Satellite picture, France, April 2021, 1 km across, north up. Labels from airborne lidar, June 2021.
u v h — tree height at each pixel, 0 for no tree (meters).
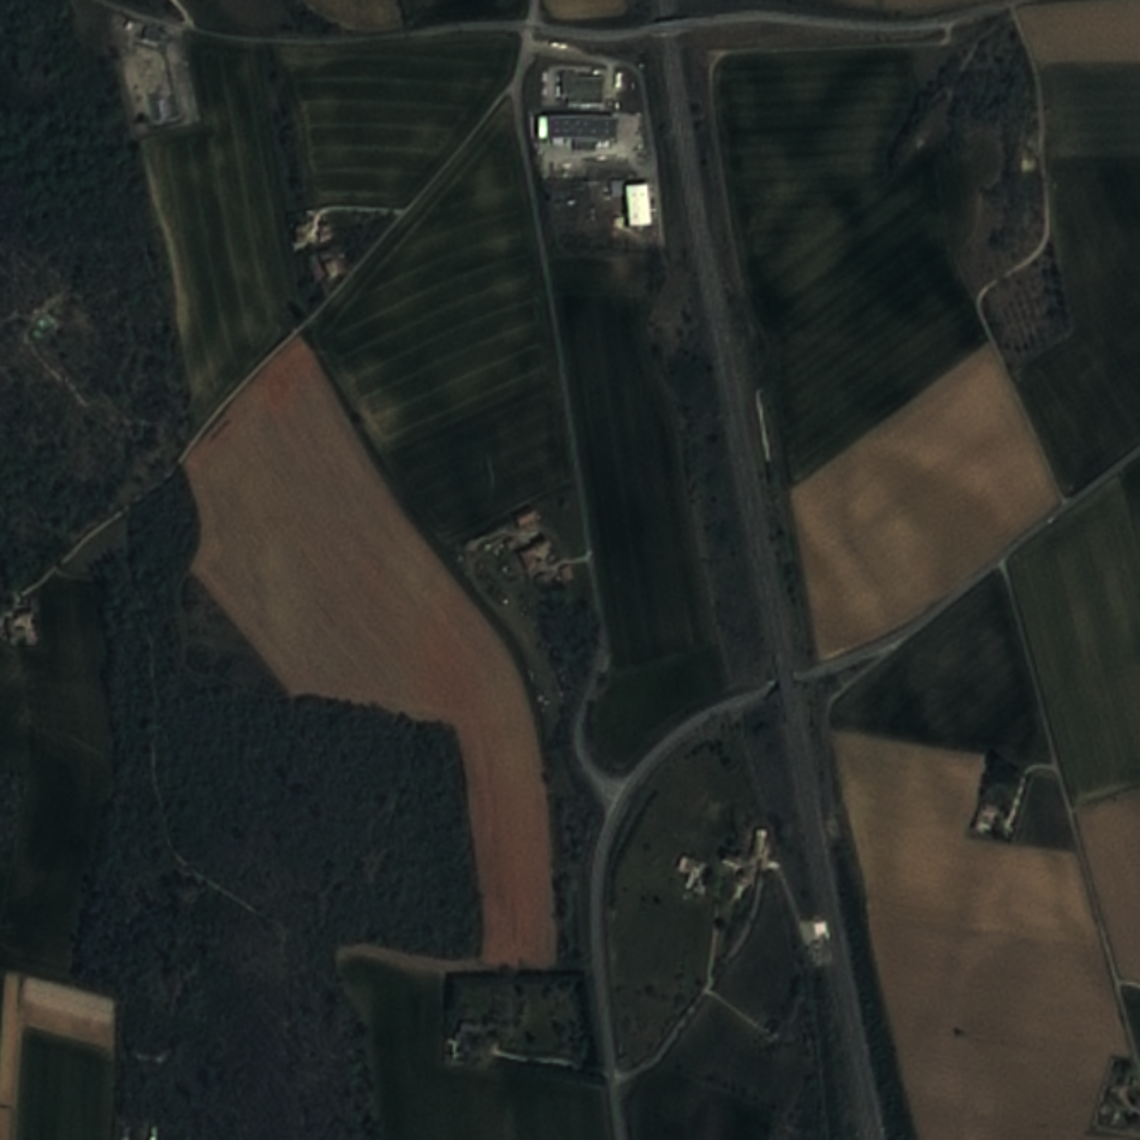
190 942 14
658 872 0
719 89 0
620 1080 0
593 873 0
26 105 0
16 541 13
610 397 0
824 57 0
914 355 0
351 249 13
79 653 0
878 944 0
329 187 0
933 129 0
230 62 0
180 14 11
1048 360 0
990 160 0
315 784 11
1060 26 0
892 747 0
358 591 0
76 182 14
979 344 0
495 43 0
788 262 0
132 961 20
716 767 0
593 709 9
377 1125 17
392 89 0
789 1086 0
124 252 13
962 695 0
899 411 0
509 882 0
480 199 0
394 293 0
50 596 0
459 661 0
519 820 0
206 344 0
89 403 13
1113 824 0
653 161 0
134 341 9
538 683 0
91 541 0
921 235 0
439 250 0
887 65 0
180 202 0
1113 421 0
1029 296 7
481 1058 27
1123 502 0
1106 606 0
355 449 0
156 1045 9
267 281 0
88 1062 0
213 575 0
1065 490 0
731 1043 0
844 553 0
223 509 0
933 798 0
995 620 0
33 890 0
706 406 0
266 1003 9
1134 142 0
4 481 14
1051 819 0
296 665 0
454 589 0
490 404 0
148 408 13
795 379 0
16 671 0
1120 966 0
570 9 0
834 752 0
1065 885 0
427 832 10
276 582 0
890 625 0
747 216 0
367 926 7
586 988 11
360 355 0
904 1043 0
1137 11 0
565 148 0
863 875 0
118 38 0
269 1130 12
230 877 10
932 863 0
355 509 0
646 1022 6
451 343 0
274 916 10
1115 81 0
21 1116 0
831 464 0
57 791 0
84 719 0
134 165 11
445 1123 0
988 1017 0
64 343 13
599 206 0
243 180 0
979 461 0
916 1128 0
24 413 14
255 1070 11
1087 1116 0
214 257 0
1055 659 0
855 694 0
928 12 0
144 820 10
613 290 0
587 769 0
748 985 0
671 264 6
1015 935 0
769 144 0
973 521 0
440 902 6
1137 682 0
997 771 12
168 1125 8
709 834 0
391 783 8
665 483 0
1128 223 0
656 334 0
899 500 0
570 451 0
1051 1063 0
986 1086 0
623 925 0
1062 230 0
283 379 0
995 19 7
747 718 0
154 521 10
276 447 0
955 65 9
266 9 0
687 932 0
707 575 0
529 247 0
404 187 0
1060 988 0
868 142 0
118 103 12
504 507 0
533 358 0
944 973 0
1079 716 0
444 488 0
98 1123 0
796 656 0
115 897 17
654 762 0
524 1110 0
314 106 0
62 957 0
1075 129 0
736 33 0
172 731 10
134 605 11
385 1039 0
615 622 0
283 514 0
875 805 0
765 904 0
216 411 0
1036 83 12
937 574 0
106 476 13
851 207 0
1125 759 0
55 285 12
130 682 12
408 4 8
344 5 0
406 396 0
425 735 7
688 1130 0
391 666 0
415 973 0
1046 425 0
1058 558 0
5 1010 0
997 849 0
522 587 0
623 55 0
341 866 8
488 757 0
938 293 0
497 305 0
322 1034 7
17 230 16
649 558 0
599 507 0
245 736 8
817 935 0
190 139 0
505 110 0
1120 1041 0
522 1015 0
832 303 0
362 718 9
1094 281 0
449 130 0
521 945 0
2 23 7
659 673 0
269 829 12
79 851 0
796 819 0
